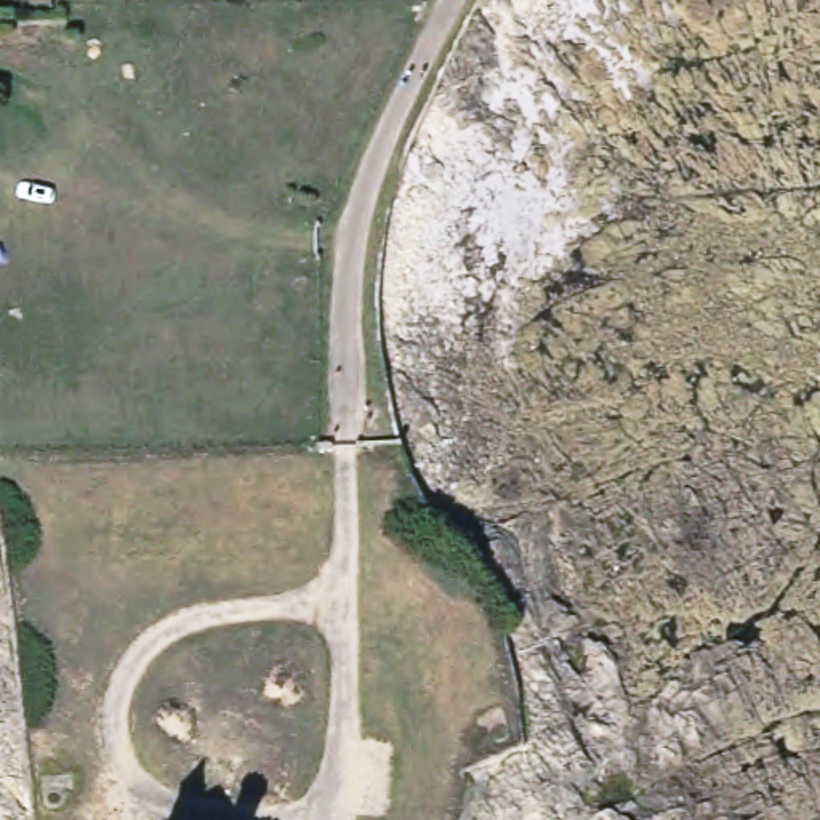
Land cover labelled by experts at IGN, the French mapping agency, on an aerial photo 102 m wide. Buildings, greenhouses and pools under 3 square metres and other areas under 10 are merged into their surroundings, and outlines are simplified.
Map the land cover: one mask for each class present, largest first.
<instances>
[{"label":"bare soil","instance_id":"1","mask_svg":"<svg viewBox=\"0 0 820 820\"><path fill-rule=\"evenodd\" d=\"M484 13L496 29V67L487 70L484 103L490 109H503L513 99L522 109V115L509 151L503 144H493L480 125L461 128L455 115L436 109L432 103L426 106L416 125L420 141L416 151L407 154L384 266V314L394 391L407 423L416 452V468L432 487L426 493V509L445 519L448 529H455L464 541L474 545L484 570L493 577L506 602L516 605V612L522 615L519 628L513 631L525 676L529 740L471 766L474 785L461 820H820V0H487ZM0 820H35L26 766V724L16 625L6 570V541L0 532Z\"/></svg>","mask_w":820,"mask_h":820},{"label":"herbaceous vegetation","instance_id":"2","mask_svg":"<svg viewBox=\"0 0 820 820\"><path fill-rule=\"evenodd\" d=\"M77 16L86 22L83 35L67 32L64 19L54 16L22 19L16 29H0V477H13L22 487L42 525V545L32 564L6 570L16 625L32 621L35 628H42L54 641L58 660L54 708L48 711L38 730L26 724V766L35 820H83L80 804L93 788V778L99 775L106 750L96 737V724L103 721V701L112 673L125 650L135 644V637L189 605L263 599L304 589L311 580H317L320 567L333 551V455H320V442H333V436L327 432V362L333 240L362 151L375 131V122L394 83H410L420 93L391 151V163L372 215L362 272V343L365 404L381 407L384 391H394L384 314V266L407 154L416 151L420 141L416 125L426 106L432 103L436 109L455 115L461 128L480 125L493 144H503L509 151L522 115V109L513 99L503 109H490L484 103L487 70L496 67V29L484 13L487 0H464L439 54L423 64L410 58V51L416 45V35L423 32L413 16V3L423 0H70ZM400 445L359 452L356 458L359 721L362 737L391 746L388 807L378 817L359 820H461L474 785L471 766L529 740L525 676L513 631H490L484 612L471 602V586L461 577H448L439 586L420 561H413L391 535H384V513L391 506H397L400 513L426 509V493L432 487L416 468V452L407 423L397 426ZM199 679L202 701L211 714L231 708L247 718H256L253 724H237L234 734L240 743L266 746V762L253 775L266 778V798L272 804H291L308 794L311 782L320 772L327 746L333 653L320 628L291 618H266L215 625L186 634L151 660L128 708L131 750L147 775L179 791L183 778L192 769L205 775L208 762L179 737L160 727V714L170 711L163 705V695L183 698V685Z\"/></svg>","mask_w":820,"mask_h":820},{"label":"pervious surface","instance_id":"3","mask_svg":"<svg viewBox=\"0 0 820 820\"><path fill-rule=\"evenodd\" d=\"M464 0H423L413 3V16L423 32L416 35V45L410 51V58L423 64L439 54ZM420 93L410 83H394L375 122V131L362 151L333 240L327 362V432L333 436V442H320V455H333V551L320 567L317 580H311L304 589L263 599L189 605L135 637V644L125 650L112 673L103 701V721L96 724V737L106 750L99 775L93 778V788L80 804L83 820H359L378 817L388 807L391 746L362 737L359 721L356 458L359 452L400 445L397 426L407 423L394 391H384L381 407L365 404L362 343V272L372 215L391 163V151ZM266 618H291L320 628L333 653L327 746L320 772L311 782L308 794L291 804H272L266 798V778L253 775L266 762V746L240 743L234 734L237 724H253L256 718H247L231 708L211 714L202 701L199 679L183 685V698L163 695V705L170 711L160 714V727L179 737L208 762L205 775L192 769L183 778L179 791L147 775L131 750L128 708L151 660L186 634L215 625Z\"/></svg>","mask_w":820,"mask_h":820},{"label":"brushwood","instance_id":"4","mask_svg":"<svg viewBox=\"0 0 820 820\"><path fill-rule=\"evenodd\" d=\"M54 16L64 19L67 32L83 35L86 22L77 16L70 0H0V29H16L22 19ZM0 532L6 541V570L32 564L42 545V525L22 487L13 477H0ZM384 535H391L413 561H420L439 586L448 577H461L471 586V602L484 612L490 631H513L519 628L522 615L516 612V605L506 602L493 577L484 570L474 545L464 541L455 529H448L445 519L426 509L400 513L397 506H391L384 513ZM26 724L38 730L48 711L54 708L58 660L54 641L42 628H35L32 621L16 625Z\"/></svg>","mask_w":820,"mask_h":820}]
</instances>
